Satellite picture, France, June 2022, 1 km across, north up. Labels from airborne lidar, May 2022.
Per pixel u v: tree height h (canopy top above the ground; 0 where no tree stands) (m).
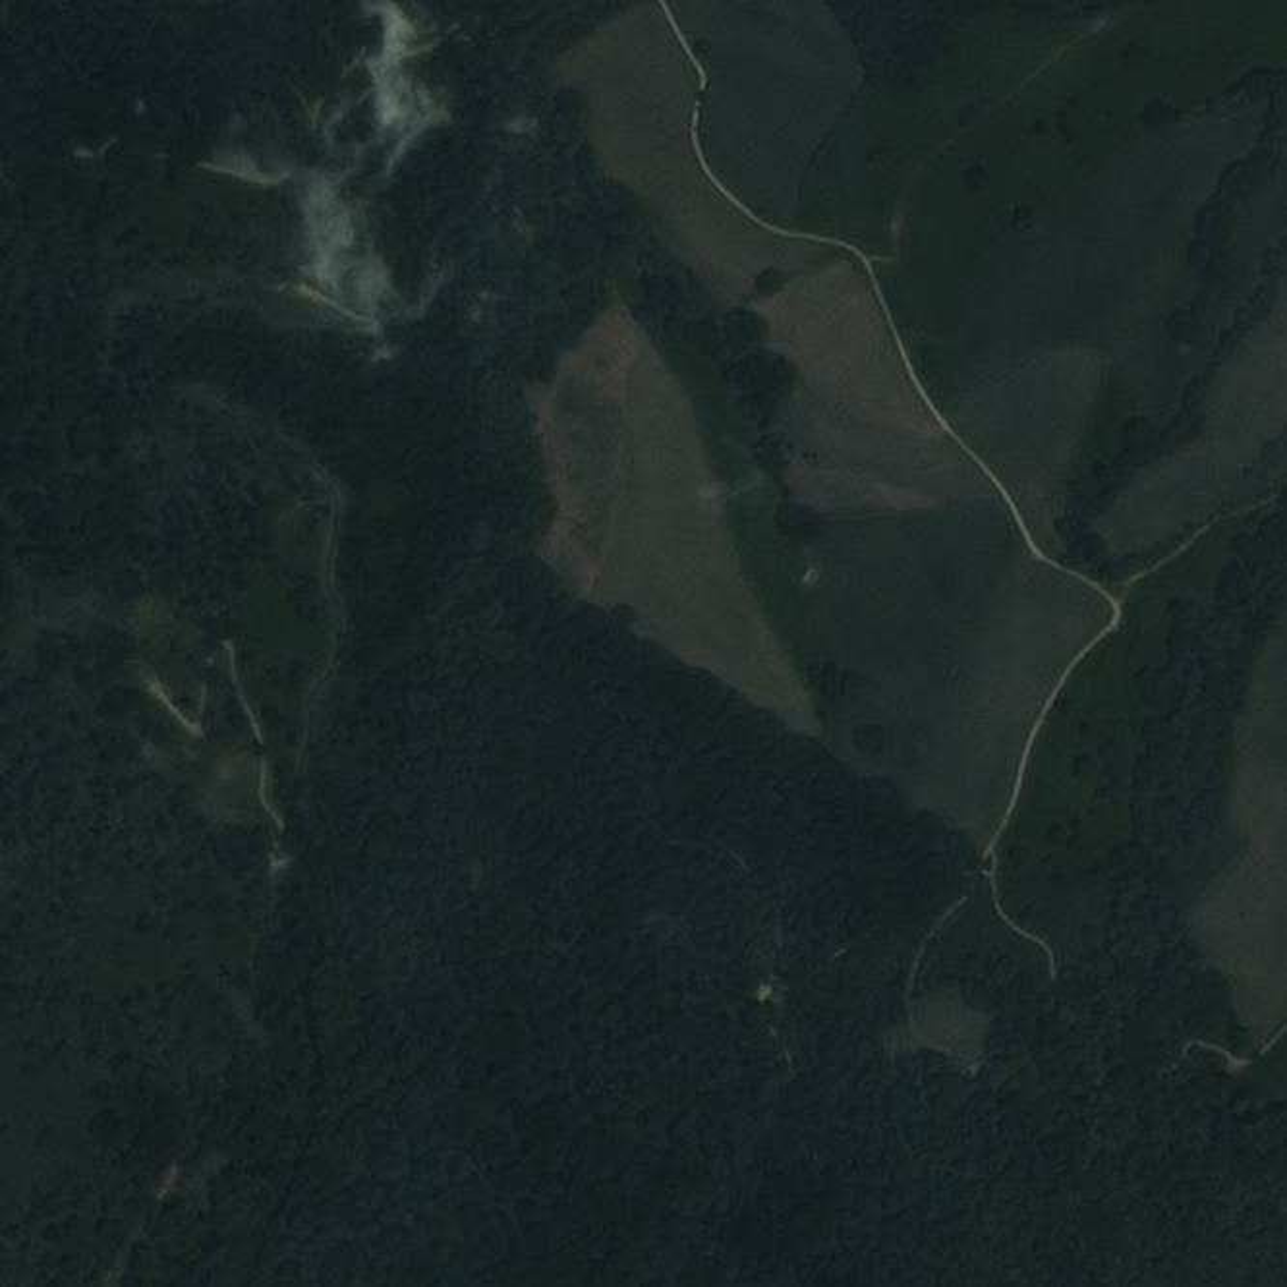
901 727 0
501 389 31
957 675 0
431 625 6
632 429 0
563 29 26
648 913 25
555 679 30
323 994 35
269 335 15
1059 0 16
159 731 28
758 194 0
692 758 34
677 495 0
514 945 19
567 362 0
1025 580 0
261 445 21
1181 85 0
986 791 0
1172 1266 11
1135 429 16
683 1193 37
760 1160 21
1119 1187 14
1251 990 0
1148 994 7
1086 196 0
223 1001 23
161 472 21
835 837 41
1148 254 0
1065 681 0
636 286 0
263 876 23
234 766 0
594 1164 33
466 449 8
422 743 28
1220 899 0
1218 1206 14
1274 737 0
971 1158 9
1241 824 0
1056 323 0
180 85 38
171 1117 29
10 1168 0
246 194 0
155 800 22
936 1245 15
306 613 16
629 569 0
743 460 0
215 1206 29
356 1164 30
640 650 28
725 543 0
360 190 11
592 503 0
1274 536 23
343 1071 24
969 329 0
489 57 34
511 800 18
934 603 0
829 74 0
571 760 20
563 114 27
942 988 12
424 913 25
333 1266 22
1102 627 0
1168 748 28
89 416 25
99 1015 19
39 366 27
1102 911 6
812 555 0
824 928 33
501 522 17
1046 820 0
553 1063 7
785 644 0
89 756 33
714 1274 31
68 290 26
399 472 7
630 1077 40
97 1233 17
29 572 26
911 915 19
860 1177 21
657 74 0
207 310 20
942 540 0
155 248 13
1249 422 0
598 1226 22
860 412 0
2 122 9
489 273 28
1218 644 27
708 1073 8
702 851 24
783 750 34
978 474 0
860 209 0
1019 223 15
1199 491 0
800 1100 34
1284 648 0
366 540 7
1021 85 0
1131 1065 19
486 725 21
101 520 22
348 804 9
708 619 0
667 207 0
